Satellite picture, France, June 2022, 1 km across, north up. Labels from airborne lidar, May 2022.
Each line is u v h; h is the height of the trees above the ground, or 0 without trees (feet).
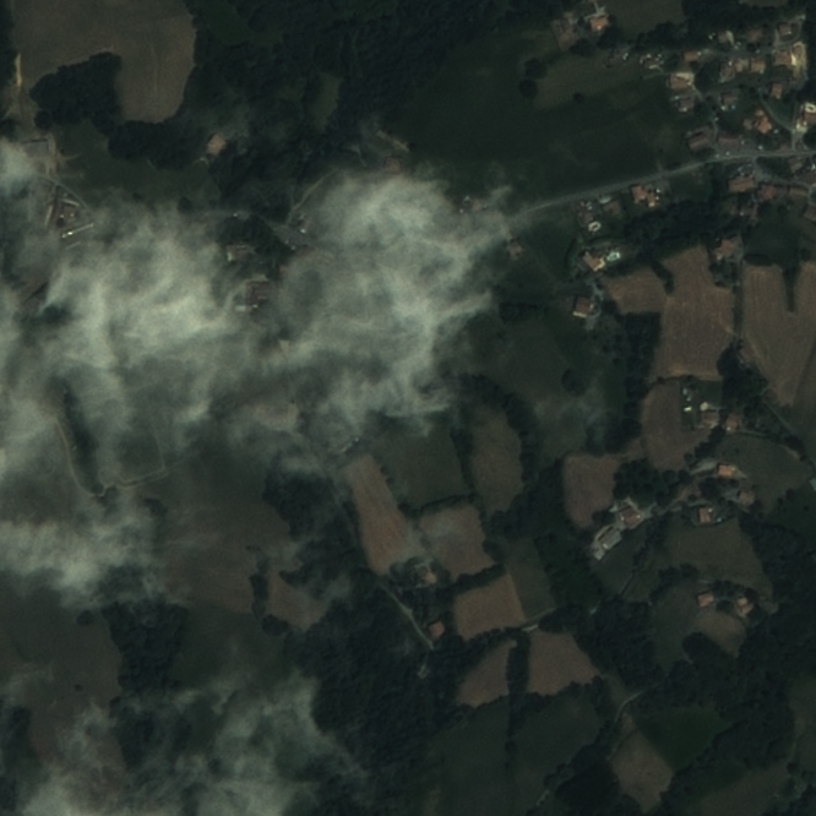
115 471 0
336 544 91
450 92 0
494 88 0
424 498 0
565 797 58
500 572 27
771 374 0
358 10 96
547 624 46
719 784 0
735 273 26
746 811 0
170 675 33
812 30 64
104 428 0
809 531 0
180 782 84
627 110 0
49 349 0
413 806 28
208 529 0
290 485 92
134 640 67
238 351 0
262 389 0
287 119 93
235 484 0
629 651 69
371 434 53
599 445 62
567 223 0
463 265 0
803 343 0
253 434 60
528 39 0
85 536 0
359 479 0
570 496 0
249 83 77
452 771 0
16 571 0
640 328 54
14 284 70
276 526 0
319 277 34
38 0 0
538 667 0
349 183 0
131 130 58
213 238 53
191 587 0
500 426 0
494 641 63
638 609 58
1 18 68
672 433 0
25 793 67
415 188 0
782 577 65
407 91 59
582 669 0
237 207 62
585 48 56
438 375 0
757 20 67
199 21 48
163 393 58
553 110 0
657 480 25
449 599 42
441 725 63
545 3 77
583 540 46
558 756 0
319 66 56
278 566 0
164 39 0
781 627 71
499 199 0
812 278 0
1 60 76
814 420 0
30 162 0
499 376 0
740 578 0
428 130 0
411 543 0
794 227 0
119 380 0
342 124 92
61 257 0
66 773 0
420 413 0
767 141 28
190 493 0
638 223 65
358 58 62
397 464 0
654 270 39
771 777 0
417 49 52
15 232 25
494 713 0
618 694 0
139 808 71
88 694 0
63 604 0
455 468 0
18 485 0
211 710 0
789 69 0
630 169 0
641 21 0
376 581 48
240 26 0
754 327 0
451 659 66
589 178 0
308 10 83
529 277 0
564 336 0
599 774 73
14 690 0
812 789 37
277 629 63
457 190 0
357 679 102
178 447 0
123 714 49
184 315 54
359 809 64
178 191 0
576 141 0
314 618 0
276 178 64
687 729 0
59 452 0
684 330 0
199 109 53
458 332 0
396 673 76
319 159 64
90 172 0
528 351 0
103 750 0
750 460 0
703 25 72
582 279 39
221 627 0
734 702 67
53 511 0
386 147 0
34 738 0
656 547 30
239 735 0
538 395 0
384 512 0
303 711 0
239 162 70
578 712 0
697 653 64
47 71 0
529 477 52
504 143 0
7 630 0
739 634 0
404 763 75
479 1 52
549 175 0
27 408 0
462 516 0
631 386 75
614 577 0
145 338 0
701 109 63
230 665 0
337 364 0
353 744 77
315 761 33
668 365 0
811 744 0
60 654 0
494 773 0
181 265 50
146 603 91
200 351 0
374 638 69
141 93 0
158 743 20
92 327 54
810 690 0
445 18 51
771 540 73
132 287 0
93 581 57
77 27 0
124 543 73
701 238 59
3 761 86
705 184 0
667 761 0
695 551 0
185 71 0
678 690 65
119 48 0
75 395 31
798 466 0
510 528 76
